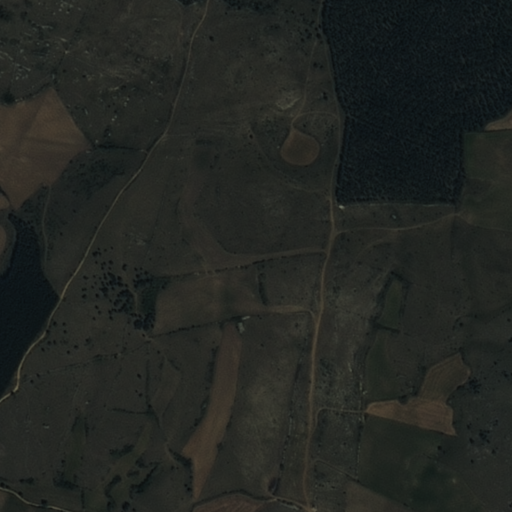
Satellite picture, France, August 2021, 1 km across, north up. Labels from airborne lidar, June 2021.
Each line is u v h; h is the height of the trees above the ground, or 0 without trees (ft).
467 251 0
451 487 0
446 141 37
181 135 0
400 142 42
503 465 0
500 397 0
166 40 0
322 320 0
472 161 0
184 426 0
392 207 0
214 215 0
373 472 0
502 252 0
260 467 0
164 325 0
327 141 0
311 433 0
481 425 0
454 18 47
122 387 0
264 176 0
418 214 0
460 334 0
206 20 0
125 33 0
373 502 0
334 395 0
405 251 0
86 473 0
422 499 0
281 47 0
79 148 0
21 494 30
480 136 0
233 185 0
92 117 0
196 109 0
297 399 0
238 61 0
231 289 0
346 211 0
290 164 0
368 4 50
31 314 38
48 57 0
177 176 0
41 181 0
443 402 0
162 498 0
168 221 0
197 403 0
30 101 0
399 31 51
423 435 0
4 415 0
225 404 0
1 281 42
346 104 37
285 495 0
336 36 49
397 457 0
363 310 0
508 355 0
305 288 0
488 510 0
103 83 0
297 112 0
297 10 0
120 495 0
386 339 0
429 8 44
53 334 0
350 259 0
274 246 0
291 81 0
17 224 35
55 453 0
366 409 0
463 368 0
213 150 0
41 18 0
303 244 0
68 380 0
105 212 0
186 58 0
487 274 0
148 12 0
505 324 0
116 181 0
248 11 0
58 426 0
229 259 0
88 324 0
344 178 39
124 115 0
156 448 0
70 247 0
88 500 0
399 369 0
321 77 0
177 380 0
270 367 0
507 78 46
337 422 0
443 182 39
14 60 0
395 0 40
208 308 0
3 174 0
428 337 0
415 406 0
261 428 0
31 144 0
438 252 0
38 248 29
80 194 0
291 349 0
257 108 0
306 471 0
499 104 41
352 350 0
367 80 46
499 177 0
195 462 0
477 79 53
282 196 0
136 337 0
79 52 0
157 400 0
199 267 0
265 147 0
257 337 0
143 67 0
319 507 0
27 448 0
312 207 0
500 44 55
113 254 0
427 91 49
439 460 0
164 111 0
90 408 0
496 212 0
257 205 0
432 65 46
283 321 0
